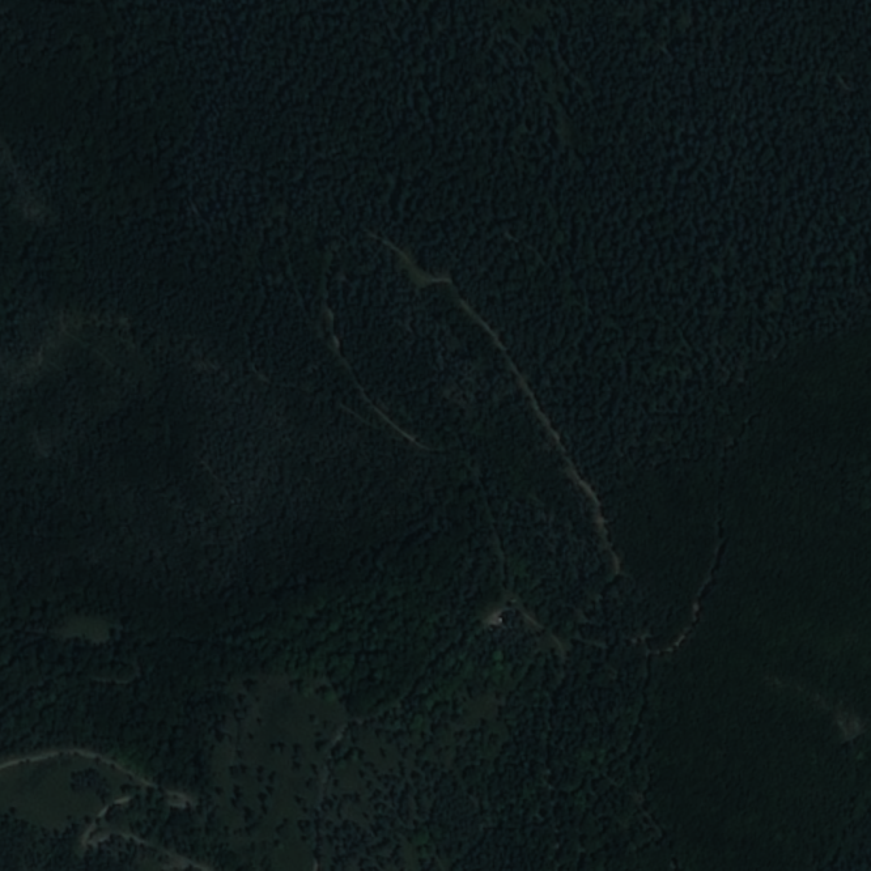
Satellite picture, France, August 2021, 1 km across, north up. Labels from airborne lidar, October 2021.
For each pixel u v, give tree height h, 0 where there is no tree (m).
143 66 14
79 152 11
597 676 17
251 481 13
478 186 16
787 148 21
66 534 18
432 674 13
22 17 21
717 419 21
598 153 9
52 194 7
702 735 15
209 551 11
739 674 16
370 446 14
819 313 26
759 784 13
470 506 6
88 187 12
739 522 18
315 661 16
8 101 21
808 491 23
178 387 15
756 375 17
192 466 13
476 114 17
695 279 13
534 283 18
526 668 11
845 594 18
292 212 11
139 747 15
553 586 15
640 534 20
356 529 18
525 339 12
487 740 8
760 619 17
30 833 11
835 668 16
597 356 16
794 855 16
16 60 20
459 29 22
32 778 0
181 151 17
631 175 14
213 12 25
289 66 15
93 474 13
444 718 12
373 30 15
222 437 12
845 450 24
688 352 18
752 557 18
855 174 23
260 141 22
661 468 15
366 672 21
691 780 16
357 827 9
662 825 24
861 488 27
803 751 14
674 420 23
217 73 27
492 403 17
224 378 6
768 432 19
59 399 12
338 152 24
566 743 22
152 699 17
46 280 12
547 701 18
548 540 17
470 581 12
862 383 15
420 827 12
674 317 19
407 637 8
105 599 14
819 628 12
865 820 19
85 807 0
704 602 19
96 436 15
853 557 16
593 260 30
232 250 13
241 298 23
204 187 22
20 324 9
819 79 26
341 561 17
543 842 16
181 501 13
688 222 27
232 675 12
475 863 18
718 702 16
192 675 18
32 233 13
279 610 16
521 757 15
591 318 8
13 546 13
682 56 24
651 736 12
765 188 26
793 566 18
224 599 20
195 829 11
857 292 23
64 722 12
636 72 27
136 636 16
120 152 21
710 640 14
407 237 24
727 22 25
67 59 22
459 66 17
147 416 17
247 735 0
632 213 27
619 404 29
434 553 21
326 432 8
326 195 21
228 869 12
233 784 0
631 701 14
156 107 21
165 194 16
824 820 15
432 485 13
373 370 18
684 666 14
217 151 25
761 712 15
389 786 9
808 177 23
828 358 18
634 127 15
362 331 20
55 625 10
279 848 8
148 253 23
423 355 15
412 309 28
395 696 13
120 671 21
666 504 16
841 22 23
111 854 9
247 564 15
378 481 16
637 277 23
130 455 22
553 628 7
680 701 16
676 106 22
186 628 21
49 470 6
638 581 8
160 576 15
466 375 23
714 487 21
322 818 14
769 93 24
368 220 24
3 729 17
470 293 23
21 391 6
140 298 19
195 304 20
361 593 16
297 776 0
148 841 13
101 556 9
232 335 20
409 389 15
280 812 0
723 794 15
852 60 22
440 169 21
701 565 21
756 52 22
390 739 6
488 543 13
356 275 10
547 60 18
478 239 8
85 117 21
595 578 26
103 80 15
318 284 7
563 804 18
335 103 21
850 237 27
